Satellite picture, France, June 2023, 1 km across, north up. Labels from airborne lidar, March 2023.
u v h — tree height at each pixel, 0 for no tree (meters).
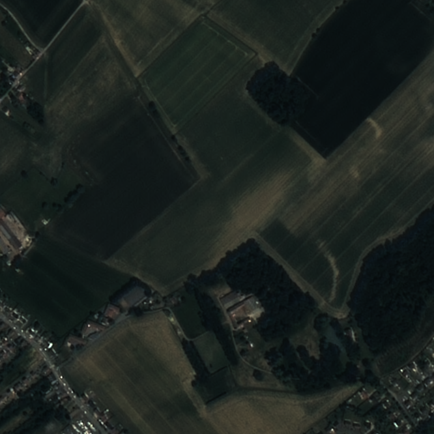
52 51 0
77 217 0
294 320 24
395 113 0
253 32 0
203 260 0
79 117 0
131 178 0
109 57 0
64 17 0
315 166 0
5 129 0
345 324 0
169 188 0
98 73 0
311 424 0
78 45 0
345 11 0
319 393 0
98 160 0
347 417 0
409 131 0
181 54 0
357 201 0
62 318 0
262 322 20
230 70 0
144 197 0
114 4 0
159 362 0
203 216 0
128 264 0
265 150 0
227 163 0
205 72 0
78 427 0
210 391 0
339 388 0
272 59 0
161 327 0
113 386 0
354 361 19
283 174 0
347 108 0
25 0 0
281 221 0
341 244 0
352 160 0
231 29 0
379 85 0
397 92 0
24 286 0
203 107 0
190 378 0
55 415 14
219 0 0
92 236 0
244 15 0
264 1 0
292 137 0
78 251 0
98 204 0
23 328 0
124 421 0
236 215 0
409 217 0
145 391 0
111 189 0
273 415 0
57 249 0
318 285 0
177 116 0
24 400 11
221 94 0
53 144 0
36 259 0
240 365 0
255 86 22
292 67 0
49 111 0
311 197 0
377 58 0
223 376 0
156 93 0
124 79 0
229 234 0
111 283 0
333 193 0
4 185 0
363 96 0
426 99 0
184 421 0
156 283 0
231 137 0
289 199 0
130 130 0
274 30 0
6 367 7
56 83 0
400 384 0
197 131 0
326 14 0
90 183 0
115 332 0
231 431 0
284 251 0
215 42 0
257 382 0
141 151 0
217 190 0
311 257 0
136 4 0
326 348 22
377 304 27
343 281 0
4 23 9
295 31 0
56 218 0
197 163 0
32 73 0
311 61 0
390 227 0
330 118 0
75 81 0
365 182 0
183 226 0
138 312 16
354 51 0
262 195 0
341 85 0
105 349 0
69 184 0
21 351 8
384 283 27
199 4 0
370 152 0
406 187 0
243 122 0
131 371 0
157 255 0
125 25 0
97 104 0
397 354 0
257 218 0
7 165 0
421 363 6
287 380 29
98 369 0
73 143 0
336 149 0
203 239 0
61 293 0
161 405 0
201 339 0
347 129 0
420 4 0
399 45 0
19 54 0
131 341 0
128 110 0
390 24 0
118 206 0
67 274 0
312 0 0
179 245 0
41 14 0
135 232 0
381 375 0
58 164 0
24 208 0
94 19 0
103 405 0
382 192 0
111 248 0
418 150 0
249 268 27
